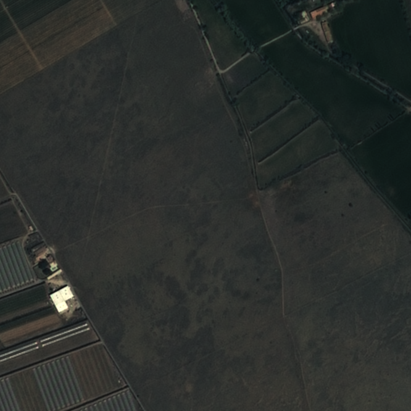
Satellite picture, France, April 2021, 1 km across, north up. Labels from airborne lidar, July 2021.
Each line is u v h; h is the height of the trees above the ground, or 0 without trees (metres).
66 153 0
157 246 0
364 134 0
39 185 0
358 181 0
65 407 0
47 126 0
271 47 0
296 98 7
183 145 0
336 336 0
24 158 0
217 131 0
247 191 0
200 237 0
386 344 0
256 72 0
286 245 0
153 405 0
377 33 0
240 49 0
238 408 0
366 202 0
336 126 0
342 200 0
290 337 0
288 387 0
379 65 0
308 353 0
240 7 0
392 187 0
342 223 0
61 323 0
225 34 0
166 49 0
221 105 0
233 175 0
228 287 0
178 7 0
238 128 0
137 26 0
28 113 0
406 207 0
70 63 0
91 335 0
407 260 0
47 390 0
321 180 0
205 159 0
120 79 0
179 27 0
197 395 0
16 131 0
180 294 0
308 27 0
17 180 0
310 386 0
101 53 0
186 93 0
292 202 0
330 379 0
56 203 0
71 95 0
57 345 0
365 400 0
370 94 0
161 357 0
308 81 0
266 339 0
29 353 0
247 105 0
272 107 0
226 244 0
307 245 0
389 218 0
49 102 0
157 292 0
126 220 0
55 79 0
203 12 0
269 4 0
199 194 0
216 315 0
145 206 0
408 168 0
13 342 0
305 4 0
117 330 0
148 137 0
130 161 0
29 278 0
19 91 0
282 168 0
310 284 0
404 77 0
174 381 0
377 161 0
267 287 0
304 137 0
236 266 0
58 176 0
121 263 0
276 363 0
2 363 0
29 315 11
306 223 0
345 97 0
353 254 0
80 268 0
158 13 0
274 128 0
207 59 0
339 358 0
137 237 0
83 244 0
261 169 0
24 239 0
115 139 0
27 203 0
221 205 0
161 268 0
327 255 0
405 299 0
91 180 0
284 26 0
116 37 0
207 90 0
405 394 0
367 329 0
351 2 12
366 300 0
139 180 0
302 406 0
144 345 0
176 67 0
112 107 0
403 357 0
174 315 0
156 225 0
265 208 0
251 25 0
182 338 0
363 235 0
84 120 0
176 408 0
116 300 0
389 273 0
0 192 0
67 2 7
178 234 0
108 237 0
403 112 8
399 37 0
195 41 0
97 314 0
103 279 0
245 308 0
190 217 0
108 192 0
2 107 0
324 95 0
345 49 0
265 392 0
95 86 0
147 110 0
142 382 0
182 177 0
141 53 0
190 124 0
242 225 0
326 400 0
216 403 0
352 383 0
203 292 0
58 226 0
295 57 0
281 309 0
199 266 0
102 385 0
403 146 0
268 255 0
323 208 0
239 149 0
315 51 7
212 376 0
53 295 0
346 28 0
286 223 0
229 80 0
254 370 0
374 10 0
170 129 0
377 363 0
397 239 0
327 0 15
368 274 0
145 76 0
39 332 0
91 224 0
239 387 0
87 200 0
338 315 0
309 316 0
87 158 0
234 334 0
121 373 0
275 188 0
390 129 0
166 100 0
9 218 0
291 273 0
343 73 0
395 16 0
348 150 8
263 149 0
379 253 0
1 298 7
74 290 0
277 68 5
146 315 0
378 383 0
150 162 0
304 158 0
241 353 0
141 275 0
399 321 0
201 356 0
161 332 0
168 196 0
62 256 0
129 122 0
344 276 0
